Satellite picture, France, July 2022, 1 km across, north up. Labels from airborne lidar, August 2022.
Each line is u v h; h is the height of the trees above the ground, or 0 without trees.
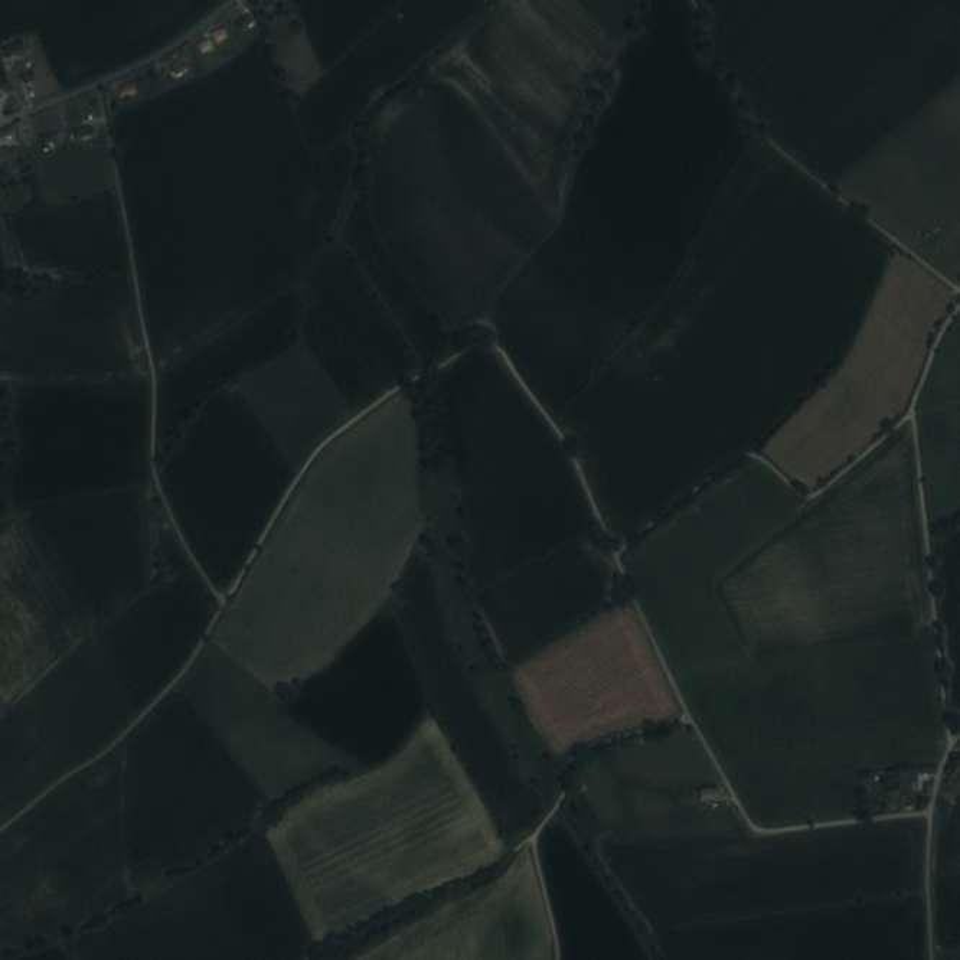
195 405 7
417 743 0
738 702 0
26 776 0
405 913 16
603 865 7
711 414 0
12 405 21
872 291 0
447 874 0
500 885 0
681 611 0
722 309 0
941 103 0
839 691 0
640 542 13
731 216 0
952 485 0
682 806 0
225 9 0
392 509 0
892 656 0
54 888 0
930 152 0
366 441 0
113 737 0
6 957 8
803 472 0
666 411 0
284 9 10
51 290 18
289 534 0
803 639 0
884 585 0
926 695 0
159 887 0
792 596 0
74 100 0
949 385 0
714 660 0
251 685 0
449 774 0
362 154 10
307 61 0
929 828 0
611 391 0
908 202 0
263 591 0
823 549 0
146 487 0
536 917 0
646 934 8
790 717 0
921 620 0
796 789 0
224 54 0
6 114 6
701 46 13
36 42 0
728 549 0
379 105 6
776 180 0
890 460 0
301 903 0
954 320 9
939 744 0
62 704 0
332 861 0
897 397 0
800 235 0
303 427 0
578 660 0
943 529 16
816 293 0
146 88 0
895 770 6
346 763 0
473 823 0
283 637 0
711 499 0
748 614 0
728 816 0
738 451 0
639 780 0
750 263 0
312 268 0
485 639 7
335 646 0
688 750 0
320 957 22
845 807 0
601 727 0
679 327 0
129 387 0
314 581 0
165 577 8
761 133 16
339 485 0
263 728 0
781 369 0
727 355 0
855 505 0
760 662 0
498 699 0
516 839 0
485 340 26
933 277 0
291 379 0
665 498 0
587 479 0
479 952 0
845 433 0
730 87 14
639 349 0
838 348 0
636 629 0
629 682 0
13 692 0
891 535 0
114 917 9
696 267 0
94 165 0
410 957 0
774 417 0
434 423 22
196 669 0
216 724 0
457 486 0
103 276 15
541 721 0
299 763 0
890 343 0
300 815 0
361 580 0
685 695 0
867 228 0
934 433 0
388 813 0
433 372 15
